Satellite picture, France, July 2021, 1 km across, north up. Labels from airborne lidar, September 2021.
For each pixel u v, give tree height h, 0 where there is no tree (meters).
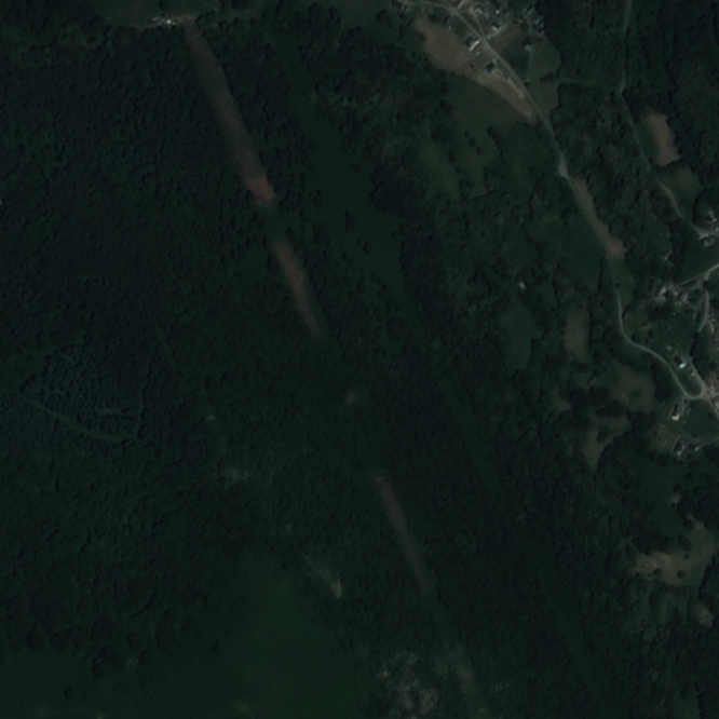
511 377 17
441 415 14
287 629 0
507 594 13
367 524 16
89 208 18
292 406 9
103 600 19
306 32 19
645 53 14
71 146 19
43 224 21
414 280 20
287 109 22
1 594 21
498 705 15
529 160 0
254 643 0
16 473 21
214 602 24
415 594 11
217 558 17
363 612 19
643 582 12
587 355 0
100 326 16
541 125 6
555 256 17
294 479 21
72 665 0
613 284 15
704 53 20
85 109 25
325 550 12
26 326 13
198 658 7
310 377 8
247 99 17
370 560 19
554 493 15
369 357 14
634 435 18
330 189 0
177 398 12
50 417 21
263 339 10
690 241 10
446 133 19
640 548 22
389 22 14
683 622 17
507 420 16
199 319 12
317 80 11
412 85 24
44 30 16
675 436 0
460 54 0
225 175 21
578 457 8
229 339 17
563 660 16
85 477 25
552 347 18
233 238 20
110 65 25
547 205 22
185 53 13
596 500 22
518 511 12
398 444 13
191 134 22
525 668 14
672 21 21
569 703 8
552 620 16
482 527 9
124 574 26
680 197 0
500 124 0
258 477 6
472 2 0
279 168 15
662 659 19
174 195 24
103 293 16
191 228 17
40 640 16
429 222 19
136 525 16
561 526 10
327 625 9
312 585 8
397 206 28
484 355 16
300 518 9
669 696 22
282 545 11
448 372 9
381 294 11
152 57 19
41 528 23
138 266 17
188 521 21
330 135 0
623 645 9
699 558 0
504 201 21
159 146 25
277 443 12
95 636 14
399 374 14
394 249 0
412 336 16
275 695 0
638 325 0
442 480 11
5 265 17
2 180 20
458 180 0
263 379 7
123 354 15
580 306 20
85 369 24
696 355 18
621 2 26
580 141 20
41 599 22
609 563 13
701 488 9
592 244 0
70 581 24
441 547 9
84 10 21
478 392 19
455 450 9
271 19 7
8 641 17
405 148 21
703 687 22
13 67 20
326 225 11
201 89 22
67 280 17
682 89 22
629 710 9
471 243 20
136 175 20
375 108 23
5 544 20
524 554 9
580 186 0
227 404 23
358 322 12
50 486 26
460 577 12
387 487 0
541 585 16
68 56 26
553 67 0
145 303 16
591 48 28
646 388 0
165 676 8
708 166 21
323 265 9
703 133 19
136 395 18
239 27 21
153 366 11
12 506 22
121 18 0
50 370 20
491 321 17
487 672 14
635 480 24
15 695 0
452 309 20
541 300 15
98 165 14
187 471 16
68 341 18
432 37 0
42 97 26
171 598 23
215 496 17
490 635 8
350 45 16
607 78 19
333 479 9
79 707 0
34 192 19
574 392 11
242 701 0
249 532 24
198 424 10
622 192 18
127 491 20
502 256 24
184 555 22
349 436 9
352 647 11
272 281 14
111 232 14
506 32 0
